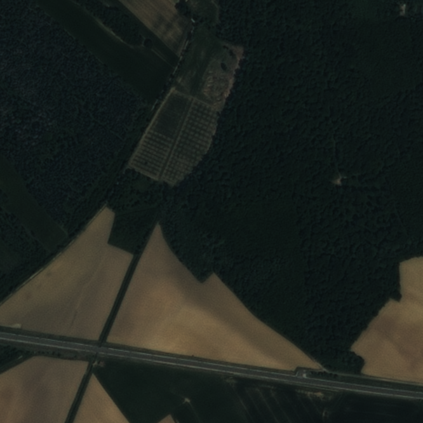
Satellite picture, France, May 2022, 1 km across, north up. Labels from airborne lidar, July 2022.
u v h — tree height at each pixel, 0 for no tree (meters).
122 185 16
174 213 16
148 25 0
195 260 20
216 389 0
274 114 23
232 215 16
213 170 19
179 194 24
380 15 20
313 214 18
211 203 27
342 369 13
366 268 21
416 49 21
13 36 21
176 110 0
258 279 22
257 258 21
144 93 0
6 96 28
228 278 25
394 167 18
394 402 0
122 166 13
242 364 0
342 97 15
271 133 21
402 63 13
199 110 0
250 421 0
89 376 0
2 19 22
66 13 0
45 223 0
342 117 22
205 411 0
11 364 0
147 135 0
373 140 23
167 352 0
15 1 23
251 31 14
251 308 16
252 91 19
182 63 16
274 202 16
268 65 20
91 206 7
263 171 26
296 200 23
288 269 11
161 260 0
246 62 20
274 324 9
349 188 24
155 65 0
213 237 22
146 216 7
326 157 27
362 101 18
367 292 25
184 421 0
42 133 32
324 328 27
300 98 22
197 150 0
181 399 0
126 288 0
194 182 25
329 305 23
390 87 15
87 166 22
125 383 0
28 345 0
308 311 12
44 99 25
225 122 27
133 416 0
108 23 22
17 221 20
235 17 19
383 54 14
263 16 30
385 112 24
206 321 0
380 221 16
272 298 16
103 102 22
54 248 0
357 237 20
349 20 22
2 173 0
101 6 21
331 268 24
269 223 16
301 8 25
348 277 24
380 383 0
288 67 24
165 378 0
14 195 0
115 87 21
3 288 7
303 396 0
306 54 25
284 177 25
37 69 24
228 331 0
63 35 16
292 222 14
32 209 0
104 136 18
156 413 0
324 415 0
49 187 19
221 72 0
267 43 23
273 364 0
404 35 14
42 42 23
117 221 6
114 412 0
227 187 25
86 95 18
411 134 24
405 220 18
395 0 20
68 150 16
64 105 20
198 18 14
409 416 0
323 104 23
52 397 0
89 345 0
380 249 28
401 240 24
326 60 16
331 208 20
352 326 19
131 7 0
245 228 14
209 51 0
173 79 12
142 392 0
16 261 0
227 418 0
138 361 0
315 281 24
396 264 14
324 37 27
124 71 0
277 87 28
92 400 0
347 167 22
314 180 28
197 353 0
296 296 15
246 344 0
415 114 22
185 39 0
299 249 13
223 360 0
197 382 0
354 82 20
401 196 19
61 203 21
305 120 14
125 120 17
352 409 0
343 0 19
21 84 27
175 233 17
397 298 20
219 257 18
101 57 0
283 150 25
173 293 0
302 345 16
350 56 27
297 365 0
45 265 14
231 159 27
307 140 21
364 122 21
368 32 15
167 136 0
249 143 25
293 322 13
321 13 22
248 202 21
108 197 10
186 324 0
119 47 0
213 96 0
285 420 0
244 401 0
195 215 26
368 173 23
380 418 0
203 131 0
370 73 15
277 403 0
